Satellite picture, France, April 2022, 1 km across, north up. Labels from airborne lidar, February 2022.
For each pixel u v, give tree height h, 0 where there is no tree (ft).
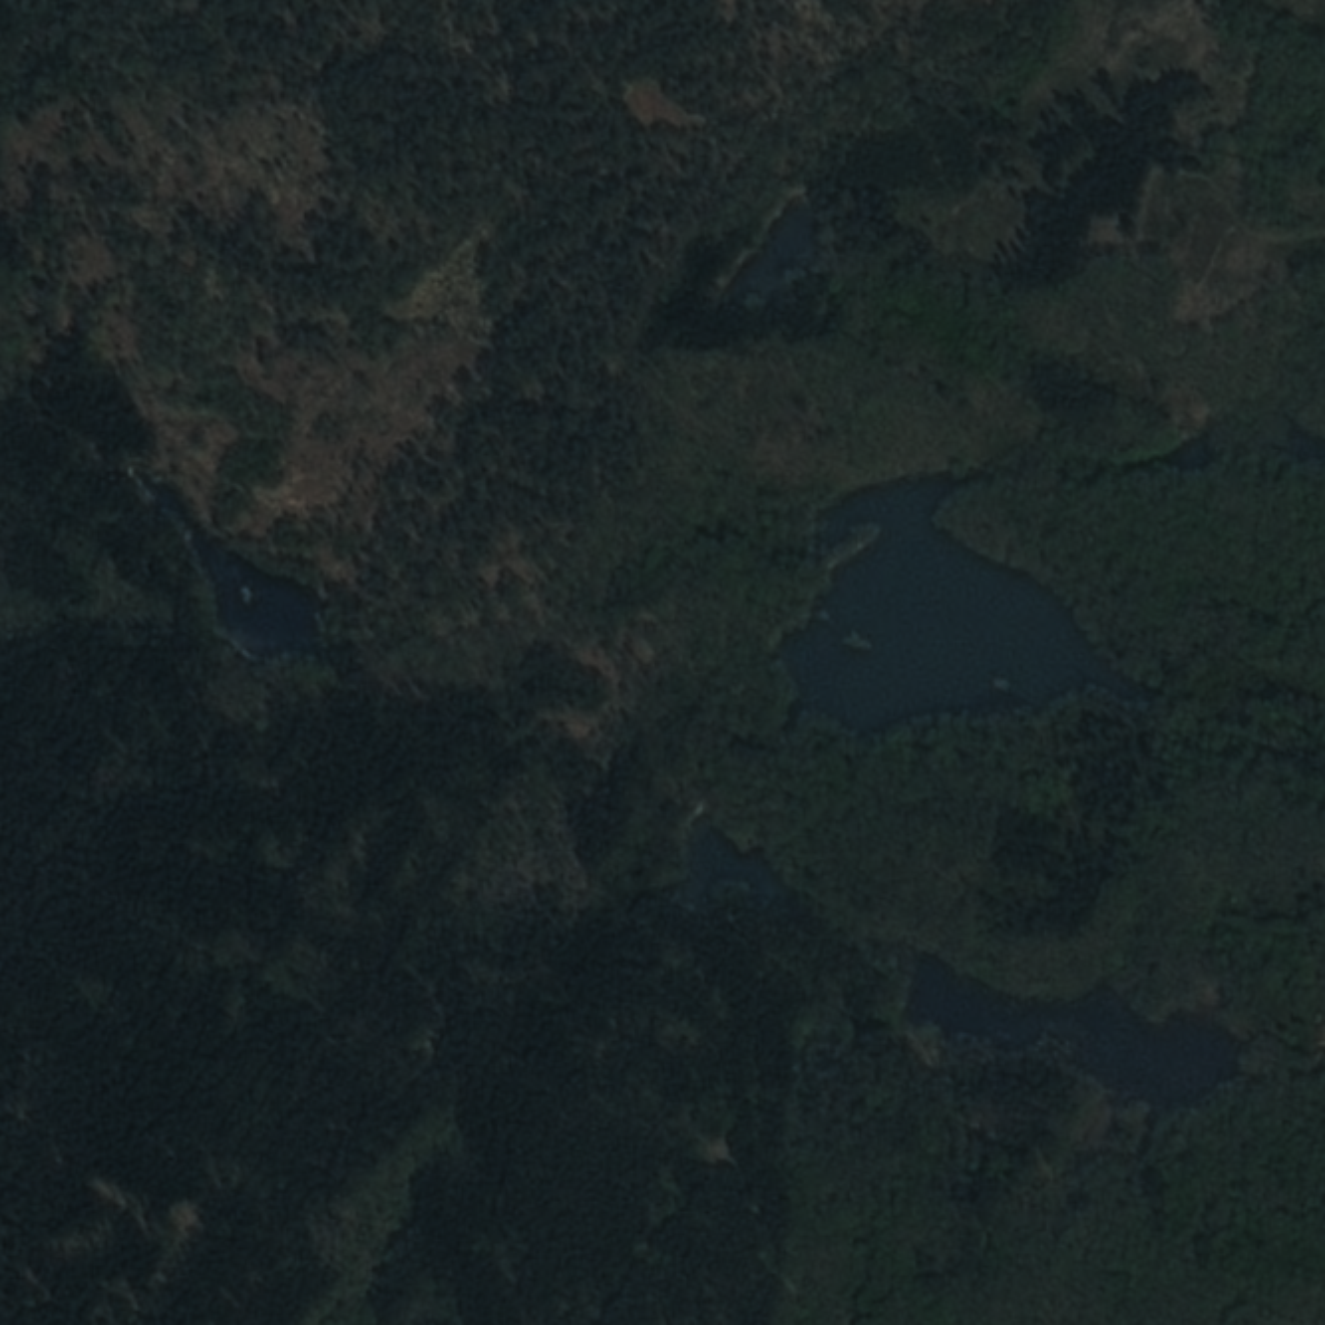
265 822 70
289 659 58
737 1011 56
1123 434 83
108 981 76
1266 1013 59
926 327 41
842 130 20
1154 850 66
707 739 90
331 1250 68
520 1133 66
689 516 105
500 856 66
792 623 72
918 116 75
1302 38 65
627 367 61
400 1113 83
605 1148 45
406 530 63
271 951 67
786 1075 75
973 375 42
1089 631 58
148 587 43
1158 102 79
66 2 43
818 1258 49
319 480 0
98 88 21
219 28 63
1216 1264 59
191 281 48
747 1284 68
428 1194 83
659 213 39
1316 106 74
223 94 39
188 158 0
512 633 56
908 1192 67
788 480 56
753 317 51
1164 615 53
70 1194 86
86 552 63
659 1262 38
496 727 76
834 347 77
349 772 62
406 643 47
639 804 69
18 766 77
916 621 0
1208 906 85
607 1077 51
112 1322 60
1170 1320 74
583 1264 56
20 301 80
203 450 61
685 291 55
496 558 52
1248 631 85
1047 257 73
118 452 54
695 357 69
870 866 54
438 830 40
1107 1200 79
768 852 50
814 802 63
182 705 69
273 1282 73
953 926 53
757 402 41
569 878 65
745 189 50
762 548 28
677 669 68
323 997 62
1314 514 58
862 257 81
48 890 85
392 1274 92
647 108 0
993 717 79
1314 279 72
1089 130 75
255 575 0
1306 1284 50
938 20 32
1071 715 71
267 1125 66
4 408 63
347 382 0
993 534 48
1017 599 0
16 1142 82
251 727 71
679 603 52
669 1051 56
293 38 60
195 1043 84
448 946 70
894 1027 64
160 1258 76
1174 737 73
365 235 42
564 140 60
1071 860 30
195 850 61
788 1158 76
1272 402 62
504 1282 81
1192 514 73
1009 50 47
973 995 0
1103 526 59
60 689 71
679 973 45
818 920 68
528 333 80
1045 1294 76
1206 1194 61
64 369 59
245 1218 60
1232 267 0
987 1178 64
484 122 64
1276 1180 67
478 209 58
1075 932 52
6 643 50
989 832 58
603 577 88
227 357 44
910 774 75
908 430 65
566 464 78
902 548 0
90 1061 82
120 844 86
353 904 67
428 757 64
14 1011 81
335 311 38
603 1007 51
